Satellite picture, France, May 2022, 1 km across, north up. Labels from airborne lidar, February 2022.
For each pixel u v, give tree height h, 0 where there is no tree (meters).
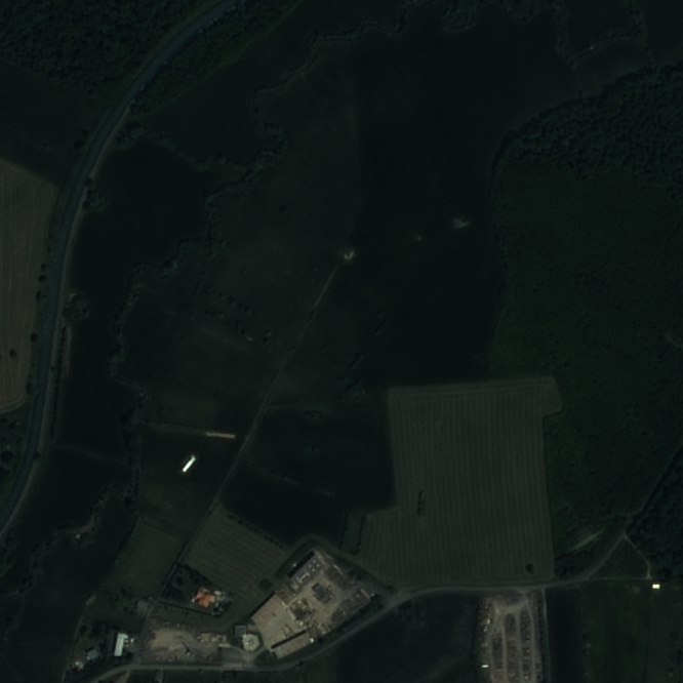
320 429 0
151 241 0
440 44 0
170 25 22
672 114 24
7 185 0
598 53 0
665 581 6
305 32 0
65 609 0
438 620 0
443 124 0
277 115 0
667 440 8
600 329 6
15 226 0
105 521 0
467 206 0
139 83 0
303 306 0
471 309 0
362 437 0
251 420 0
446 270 0
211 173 0
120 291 0
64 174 0
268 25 16
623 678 0
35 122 0
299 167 0
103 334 0
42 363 0
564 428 0
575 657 0
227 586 0
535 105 0
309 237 0
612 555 0
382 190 0
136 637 0
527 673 0
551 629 0
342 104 0
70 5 27
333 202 0
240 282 0
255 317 0
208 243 7
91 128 0
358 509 0
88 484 0
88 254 0
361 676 0
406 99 0
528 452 0
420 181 0
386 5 0
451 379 0
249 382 0
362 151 0
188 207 0
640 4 0
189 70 13
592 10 0
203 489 0
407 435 0
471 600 0
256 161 6
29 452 0
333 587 0
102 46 24
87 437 0
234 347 0
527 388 0
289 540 0
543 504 0
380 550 0
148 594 0
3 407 0
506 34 0
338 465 0
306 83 0
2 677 0
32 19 25
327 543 0
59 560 0
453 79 0
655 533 31
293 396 0
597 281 12
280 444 0
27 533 0
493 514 0
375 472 0
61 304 0
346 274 0
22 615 0
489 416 0
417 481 0
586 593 0
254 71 0
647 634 0
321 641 8
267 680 0
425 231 0
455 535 0
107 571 0
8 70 0
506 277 0
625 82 14
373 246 0
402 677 0
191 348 0
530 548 0
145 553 0
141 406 7
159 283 0
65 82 13
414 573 0
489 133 0
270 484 0
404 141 0
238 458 0
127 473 0
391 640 0
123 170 0
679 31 0
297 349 0
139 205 0
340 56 0
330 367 0
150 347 0
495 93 0
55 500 0
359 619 6
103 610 0
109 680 0
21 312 0
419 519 0
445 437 0
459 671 0
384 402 0
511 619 0
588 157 26
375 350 0
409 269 0
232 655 0
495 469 0
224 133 0
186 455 0
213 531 0
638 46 0
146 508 0
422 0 11
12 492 0
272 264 0
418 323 0
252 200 0
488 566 0
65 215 0
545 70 0
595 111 24
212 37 14
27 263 0
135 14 24
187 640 0
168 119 0
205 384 0
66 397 0
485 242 0
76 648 0
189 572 15
